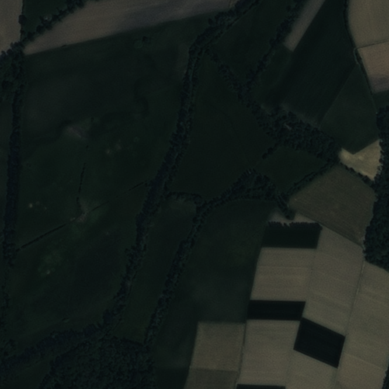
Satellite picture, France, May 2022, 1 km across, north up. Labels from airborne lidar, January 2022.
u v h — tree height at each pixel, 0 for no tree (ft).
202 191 0
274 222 0
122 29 0
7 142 0
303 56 0
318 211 0
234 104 0
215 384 0
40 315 0
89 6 0
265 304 0
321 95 0
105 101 0
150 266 0
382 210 76
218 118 0
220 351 0
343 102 0
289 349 0
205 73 0
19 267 0
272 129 73
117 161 0
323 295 0
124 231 0
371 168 0
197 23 0
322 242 0
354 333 0
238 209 0
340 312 0
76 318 0
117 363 93
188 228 0
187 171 0
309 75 0
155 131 0
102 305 0
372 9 0
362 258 0
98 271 0
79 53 0
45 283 0
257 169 0
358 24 0
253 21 0
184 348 0
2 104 0
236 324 0
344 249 0
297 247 0
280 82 0
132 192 0
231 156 0
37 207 0
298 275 0
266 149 0
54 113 0
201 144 0
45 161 0
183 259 54
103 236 0
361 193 0
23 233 0
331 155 69
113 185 0
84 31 0
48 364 0
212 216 0
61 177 0
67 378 91
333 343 0
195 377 0
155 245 0
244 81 0
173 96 0
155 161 0
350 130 0
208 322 0
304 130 68
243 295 0
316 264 0
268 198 21
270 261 0
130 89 0
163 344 0
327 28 0
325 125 0
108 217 0
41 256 0
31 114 0
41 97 0
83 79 0
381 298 0
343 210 0
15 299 0
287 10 0
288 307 0
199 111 0
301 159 0
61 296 0
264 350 0
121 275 0
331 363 0
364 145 0
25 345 0
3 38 0
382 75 0
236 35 0
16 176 97
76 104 0
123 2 0
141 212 0
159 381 0
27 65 0
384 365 0
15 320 0
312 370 0
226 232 0
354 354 0
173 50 0
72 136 0
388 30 0
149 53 0
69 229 0
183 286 0
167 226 0
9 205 44
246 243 0
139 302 0
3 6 0
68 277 0
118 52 0
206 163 0
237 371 0
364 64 19
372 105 0
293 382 0
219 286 0
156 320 59
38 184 0
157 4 0
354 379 0
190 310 0
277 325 0
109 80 0
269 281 0
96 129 0
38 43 0
